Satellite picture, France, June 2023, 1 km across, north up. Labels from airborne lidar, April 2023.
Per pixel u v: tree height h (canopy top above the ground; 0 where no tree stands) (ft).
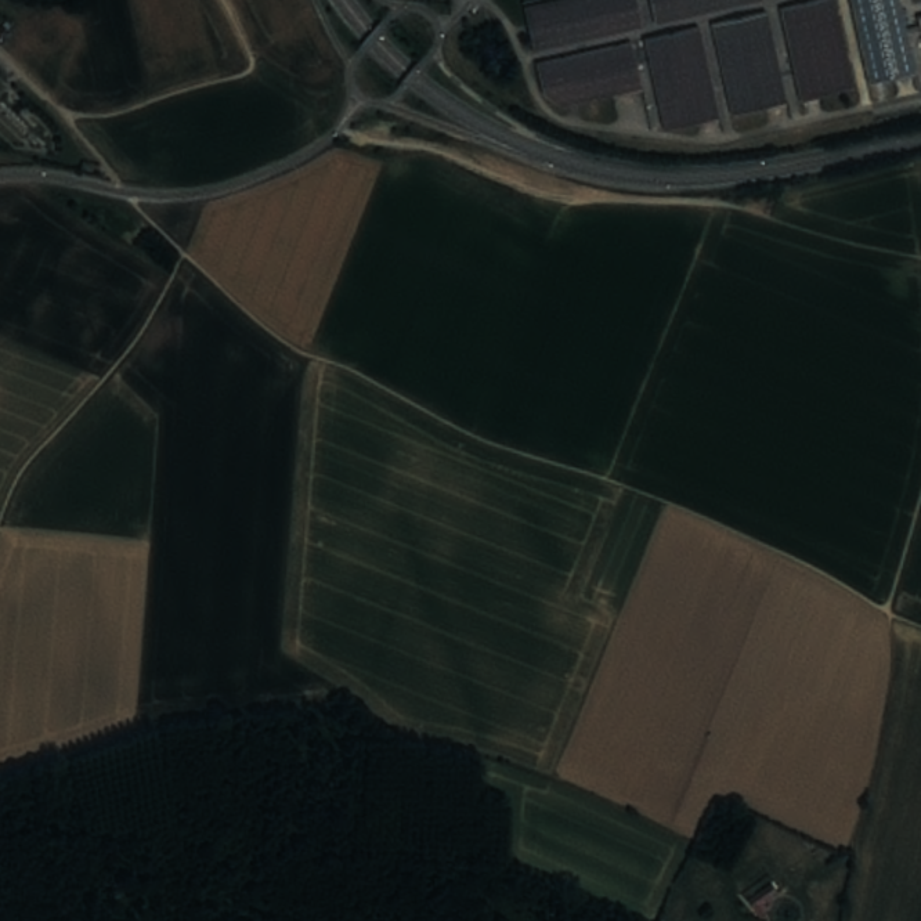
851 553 0
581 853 0
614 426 0
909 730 0
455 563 0
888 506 0
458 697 0
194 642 0
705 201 0
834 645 0
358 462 0
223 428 0
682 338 0
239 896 76
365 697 0
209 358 0
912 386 0
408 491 0
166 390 0
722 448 0
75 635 0
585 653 0
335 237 0
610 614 0
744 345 0
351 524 0
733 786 0
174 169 0
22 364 0
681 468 0
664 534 0
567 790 0
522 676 0
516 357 0
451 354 0
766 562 0
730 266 0
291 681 0
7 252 0
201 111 0
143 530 0
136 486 0
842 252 0
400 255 0
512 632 0
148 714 0
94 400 0
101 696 0
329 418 0
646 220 0
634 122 0
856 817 0
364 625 0
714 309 0
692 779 0
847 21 0
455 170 0
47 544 0
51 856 62
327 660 0
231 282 0
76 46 0
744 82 0
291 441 0
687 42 0
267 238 0
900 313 0
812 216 0
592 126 0
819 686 0
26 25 0
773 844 0
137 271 0
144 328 0
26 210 0
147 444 0
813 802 0
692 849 30
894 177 0
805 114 0
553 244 0
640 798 0
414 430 0
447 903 71
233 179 0
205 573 0
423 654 0
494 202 0
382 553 0
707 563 0
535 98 0
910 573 0
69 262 0
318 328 0
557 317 0
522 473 0
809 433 0
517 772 0
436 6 0
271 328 0
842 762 0
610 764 0
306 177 0
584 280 0
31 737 0
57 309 0
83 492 0
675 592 0
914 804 0
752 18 0
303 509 0
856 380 0
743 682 0
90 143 0
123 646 0
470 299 0
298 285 0
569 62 0
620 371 0
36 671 0
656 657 0
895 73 0
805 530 0
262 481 0
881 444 0
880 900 0
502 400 0
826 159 0
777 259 0
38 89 0
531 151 0
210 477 0
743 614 0
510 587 0
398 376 0
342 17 0
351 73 0
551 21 0
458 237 0
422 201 0
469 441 0
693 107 0
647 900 0
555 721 0
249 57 0
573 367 0
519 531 0
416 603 0
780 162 0
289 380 0
